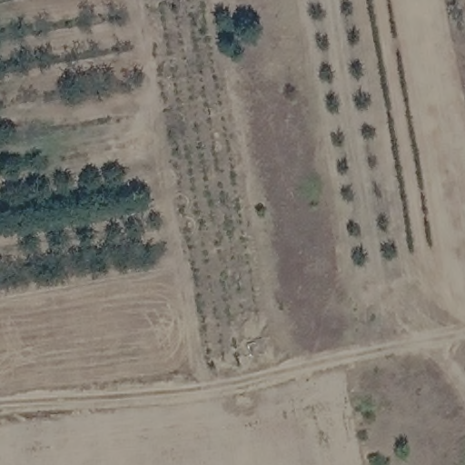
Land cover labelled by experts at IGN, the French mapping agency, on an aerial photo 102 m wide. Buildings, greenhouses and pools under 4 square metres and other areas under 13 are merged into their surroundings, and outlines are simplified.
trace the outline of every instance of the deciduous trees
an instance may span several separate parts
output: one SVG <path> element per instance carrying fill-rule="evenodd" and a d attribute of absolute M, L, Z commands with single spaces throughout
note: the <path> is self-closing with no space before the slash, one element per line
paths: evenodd
<path fill-rule="evenodd" d="M 20 51 L 11 54 L 9 58 L 0 56 L 0 74 L 27 73 L 31 69 L 47 69 L 53 64 L 65 64 L 105 54 L 127 53 L 133 49 L 133 44 L 120 42 L 113 47 L 100 47 L 93 40 L 87 51 L 78 53 L 71 51 L 67 54 L 53 54 L 51 47 L 20 47 Z"/>
<path fill-rule="evenodd" d="M 231 20 L 222 20 L 216 24 L 216 31 L 227 31 L 234 38 L 231 44 L 222 45 L 220 51 L 236 60 L 238 56 L 242 56 L 245 45 L 256 44 L 258 36 L 262 33 L 262 25 L 258 20 L 247 29 L 243 25 L 234 25 Z"/>
<path fill-rule="evenodd" d="M 67 171 L 60 169 L 44 176 L 49 158 L 36 149 L 25 154 L 0 153 L 0 236 L 16 234 L 18 245 L 25 252 L 25 262 L 13 260 L 9 254 L 0 254 L 0 289 L 27 287 L 29 283 L 56 285 L 64 283 L 65 278 L 69 276 L 85 274 L 93 274 L 94 278 L 98 278 L 102 272 L 109 269 L 124 272 L 127 269 L 151 269 L 165 254 L 167 245 L 165 242 L 142 242 L 142 222 L 138 216 L 131 216 L 125 222 L 107 223 L 104 243 L 93 245 L 91 227 L 93 223 L 102 220 L 102 214 L 114 211 L 143 211 L 151 202 L 151 193 L 145 183 L 140 180 L 124 182 L 124 165 L 107 162 L 102 167 L 85 165 L 78 178 L 78 187 L 73 189 L 69 183 L 71 173 Z"/>
<path fill-rule="evenodd" d="M 0 118 L 0 143 L 13 142 L 16 131 L 15 122 Z"/>
<path fill-rule="evenodd" d="M 142 85 L 143 73 L 138 67 L 124 67 L 124 80 L 118 80 L 114 78 L 111 67 L 93 65 L 89 69 L 78 69 L 74 73 L 64 71 L 56 82 L 56 87 L 51 91 L 45 91 L 44 102 L 62 100 L 65 105 L 80 105 L 87 100 L 100 102 L 102 98 L 109 98 L 113 94 L 131 93 L 138 89 Z"/>
<path fill-rule="evenodd" d="M 24 22 L 24 16 L 20 16 L 11 24 L 0 25 L 0 45 L 5 40 L 18 40 L 27 35 L 47 35 L 54 29 L 91 27 L 93 15 L 78 15 L 76 18 L 53 22 L 47 13 L 42 13 L 36 16 L 35 22 Z"/>

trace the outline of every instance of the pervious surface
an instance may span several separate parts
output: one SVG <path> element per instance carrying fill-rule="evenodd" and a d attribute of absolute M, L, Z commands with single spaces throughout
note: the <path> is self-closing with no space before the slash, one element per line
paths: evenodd
<path fill-rule="evenodd" d="M 349 349 L 323 351 L 318 354 L 307 352 L 303 356 L 296 356 L 263 371 L 229 378 L 214 378 L 211 381 L 185 381 L 185 378 L 178 374 L 171 381 L 156 383 L 122 383 L 107 389 L 89 391 L 31 391 L 13 396 L 0 396 L 0 401 L 2 414 L 71 409 L 71 414 L 76 416 L 149 409 L 174 411 L 183 407 L 205 405 L 203 398 L 209 398 L 211 403 L 218 403 L 223 407 L 227 396 L 236 392 L 254 392 L 289 378 L 305 376 L 320 369 L 329 369 L 345 363 L 349 363 L 354 369 L 356 361 L 376 360 L 387 354 L 418 354 L 438 363 L 440 371 L 447 378 L 447 383 L 458 392 L 458 398 L 465 411 L 465 322 L 460 320 L 460 325 L 414 331 L 401 338 L 372 341 L 369 345 L 354 345 Z"/>

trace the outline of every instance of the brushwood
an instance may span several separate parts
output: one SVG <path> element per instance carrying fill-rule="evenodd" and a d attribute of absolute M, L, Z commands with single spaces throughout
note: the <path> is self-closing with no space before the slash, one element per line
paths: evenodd
<path fill-rule="evenodd" d="M 423 232 L 427 247 L 430 247 L 432 232 L 427 196 L 420 194 Z"/>
<path fill-rule="evenodd" d="M 418 189 L 423 189 L 425 183 L 421 173 L 420 149 L 412 122 L 403 56 L 401 51 L 396 51 L 394 56 L 405 109 L 407 133 L 411 142 L 414 173 Z"/>
<path fill-rule="evenodd" d="M 367 15 L 371 22 L 376 65 L 380 74 L 381 94 L 387 114 L 394 173 L 400 191 L 405 240 L 409 252 L 414 252 L 409 200 L 405 193 L 400 147 L 392 116 L 391 94 L 381 53 L 380 31 L 374 13 L 376 0 L 365 0 Z"/>

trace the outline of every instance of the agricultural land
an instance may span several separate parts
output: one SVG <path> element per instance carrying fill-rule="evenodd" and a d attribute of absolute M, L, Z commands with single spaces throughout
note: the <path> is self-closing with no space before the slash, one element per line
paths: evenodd
<path fill-rule="evenodd" d="M 2 414 L 0 401 L 0 465 L 361 465 L 356 427 L 363 420 L 363 416 L 354 412 L 351 407 L 345 374 L 334 372 L 314 381 L 305 381 L 305 376 L 289 378 L 254 392 L 236 392 L 227 396 L 223 407 L 218 403 L 211 403 L 209 398 L 203 398 L 205 405 L 183 407 L 174 411 L 149 409 L 76 416 L 71 414 L 71 409 Z"/>
<path fill-rule="evenodd" d="M 369 345 L 372 341 L 401 338 L 414 331 L 460 325 L 460 320 L 465 322 L 465 0 L 376 0 L 374 13 L 380 31 L 381 53 L 391 94 L 392 116 L 400 147 L 405 193 L 409 200 L 414 252 L 418 256 L 418 262 L 405 265 L 401 269 L 400 278 L 392 280 L 391 289 L 385 289 L 380 296 L 374 296 L 371 305 L 361 311 L 360 316 L 354 318 L 341 312 L 341 302 L 347 296 L 347 291 L 343 283 L 336 278 L 338 236 L 332 232 L 331 216 L 322 211 L 311 213 L 311 207 L 316 207 L 320 202 L 305 200 L 298 196 L 298 191 L 305 182 L 318 174 L 314 169 L 314 133 L 320 125 L 320 114 L 312 105 L 316 102 L 316 89 L 307 80 L 305 62 L 309 56 L 309 49 L 298 9 L 298 4 L 302 0 L 158 0 L 165 54 L 162 56 L 162 62 L 156 67 L 156 82 L 162 98 L 167 142 L 171 145 L 173 153 L 169 156 L 169 163 L 176 173 L 176 189 L 191 191 L 193 214 L 198 222 L 198 236 L 191 236 L 191 227 L 182 227 L 180 231 L 185 243 L 185 256 L 182 260 L 176 260 L 165 274 L 143 278 L 145 287 L 129 287 L 127 283 L 120 283 L 120 294 L 111 294 L 107 287 L 96 287 L 94 294 L 76 298 L 45 298 L 42 305 L 0 307 L 0 396 L 13 396 L 31 391 L 89 391 L 107 389 L 122 383 L 156 383 L 171 381 L 178 374 L 185 378 L 185 381 L 211 381 L 214 378 L 229 378 L 263 371 L 296 356 L 303 356 L 307 352 L 318 354 L 323 351 L 349 349 L 354 345 Z M 227 31 L 216 31 L 216 24 L 222 20 L 231 20 L 234 25 L 243 25 L 247 29 L 258 20 L 262 25 L 262 33 L 258 36 L 256 44 L 245 45 L 242 56 L 238 56 L 236 60 L 220 51 L 222 45 L 231 44 L 234 38 Z M 425 183 L 423 189 L 418 189 L 414 173 L 411 142 L 407 133 L 405 109 L 394 56 L 396 51 L 401 51 L 403 56 L 412 122 L 420 149 L 421 173 Z M 430 247 L 427 247 L 423 232 L 420 194 L 427 196 L 432 232 Z"/>

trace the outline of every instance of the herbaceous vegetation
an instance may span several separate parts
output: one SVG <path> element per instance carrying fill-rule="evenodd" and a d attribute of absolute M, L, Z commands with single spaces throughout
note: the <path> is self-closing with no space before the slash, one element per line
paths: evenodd
<path fill-rule="evenodd" d="M 458 392 L 447 383 L 447 378 L 440 371 L 438 363 L 418 354 L 387 354 L 376 360 L 356 361 L 354 369 L 349 363 L 345 363 L 329 369 L 320 369 L 305 376 L 305 381 L 314 381 L 334 372 L 345 374 L 351 407 L 354 412 L 363 416 L 363 420 L 356 427 L 361 465 L 465 465 L 465 411 L 458 398 Z"/>
<path fill-rule="evenodd" d="M 156 67 L 162 62 L 162 56 L 165 54 L 158 0 L 0 0 L 0 25 L 11 24 L 20 16 L 24 16 L 24 22 L 35 22 L 36 16 L 42 13 L 47 13 L 53 22 L 76 18 L 78 15 L 93 15 L 91 27 L 54 29 L 47 35 L 27 35 L 18 40 L 5 40 L 0 45 L 0 56 L 9 58 L 11 54 L 20 51 L 20 47 L 51 47 L 53 54 L 67 54 L 71 51 L 78 53 L 87 51 L 93 40 L 100 47 L 113 47 L 120 42 L 133 44 L 133 49 L 127 53 L 105 54 L 65 64 L 53 64 L 47 69 L 31 69 L 27 73 L 0 74 L 0 118 L 15 122 L 16 131 L 13 142 L 0 143 L 0 153 L 25 154 L 36 149 L 49 158 L 44 176 L 60 169 L 67 171 L 71 173 L 69 183 L 73 189 L 78 187 L 78 178 L 85 165 L 102 167 L 107 162 L 124 165 L 124 182 L 140 180 L 145 183 L 151 193 L 151 202 L 143 211 L 114 211 L 102 214 L 102 220 L 93 223 L 91 227 L 93 245 L 104 243 L 107 223 L 125 222 L 131 216 L 138 216 L 142 222 L 142 242 L 165 242 L 167 245 L 165 254 L 151 269 L 127 269 L 124 272 L 109 269 L 102 272 L 98 278 L 94 278 L 93 274 L 85 274 L 69 276 L 65 278 L 64 283 L 56 285 L 29 283 L 27 287 L 0 289 L 0 307 L 42 305 L 45 298 L 76 298 L 94 294 L 96 287 L 107 287 L 111 294 L 120 294 L 120 283 L 127 283 L 129 287 L 145 287 L 143 278 L 165 274 L 176 260 L 182 260 L 185 256 L 185 243 L 180 231 L 182 227 L 191 227 L 191 236 L 198 236 L 198 222 L 193 214 L 191 191 L 176 189 L 176 173 L 169 163 L 169 156 L 173 153 L 171 145 L 167 142 L 162 98 L 156 82 Z M 113 94 L 109 98 L 102 98 L 100 102 L 87 100 L 80 105 L 65 105 L 62 100 L 44 102 L 45 91 L 51 91 L 56 87 L 56 82 L 64 71 L 74 73 L 78 69 L 89 69 L 93 65 L 111 67 L 114 78 L 118 80 L 124 80 L 124 67 L 138 67 L 143 73 L 142 85 L 138 89 L 131 93 Z"/>
<path fill-rule="evenodd" d="M 13 260 L 25 262 L 25 252 L 18 245 L 16 234 L 0 236 L 0 254 L 9 254 Z"/>
<path fill-rule="evenodd" d="M 305 62 L 307 80 L 316 89 L 316 102 L 312 105 L 320 114 L 320 125 L 314 133 L 314 169 L 318 174 L 305 182 L 298 191 L 298 196 L 305 200 L 320 202 L 316 207 L 311 207 L 311 213 L 322 211 L 331 216 L 332 232 L 338 236 L 336 278 L 343 283 L 347 291 L 347 296 L 341 302 L 341 312 L 354 318 L 360 316 L 361 311 L 371 305 L 374 296 L 380 296 L 385 289 L 391 289 L 392 280 L 400 278 L 401 269 L 405 265 L 418 262 L 418 256 L 414 252 L 409 252 L 405 240 L 400 191 L 394 173 L 387 114 L 381 94 L 380 74 L 376 65 L 371 22 L 367 15 L 365 0 L 302 0 L 298 4 L 298 9 L 309 49 L 309 56 Z"/>

